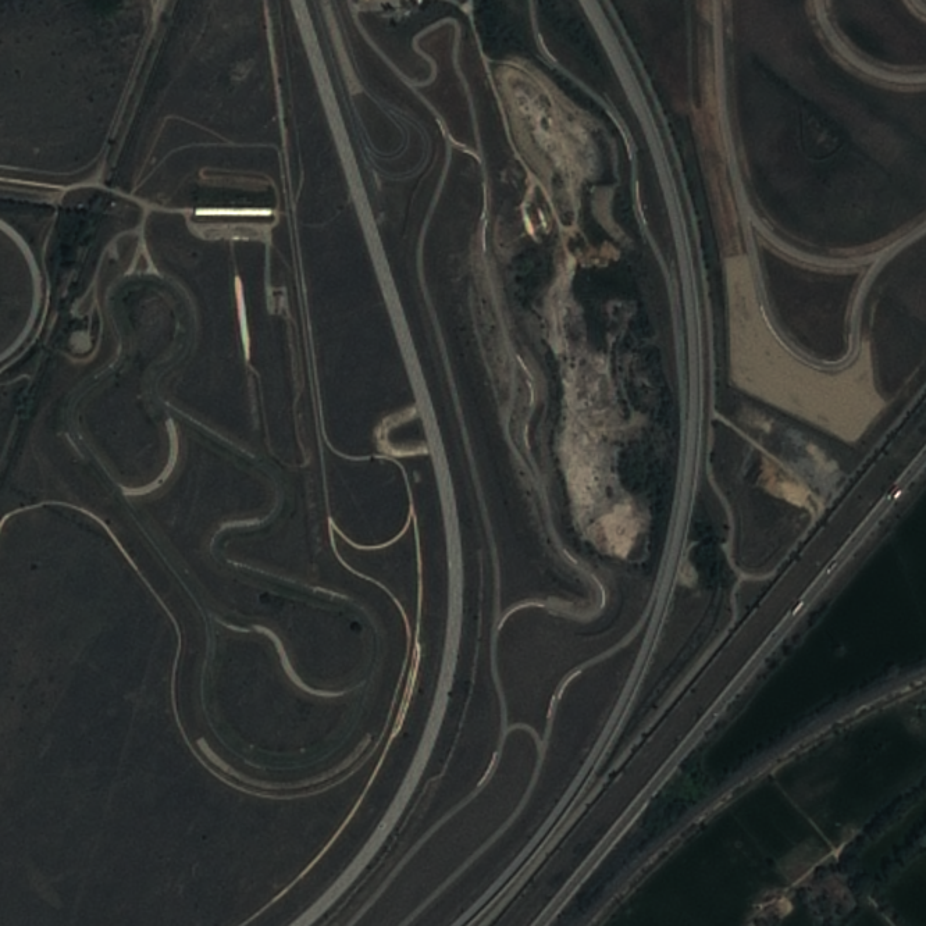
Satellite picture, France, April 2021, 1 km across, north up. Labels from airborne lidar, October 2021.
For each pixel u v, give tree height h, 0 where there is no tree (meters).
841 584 0
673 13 0
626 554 0
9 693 0
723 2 0
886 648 0
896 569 0
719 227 0
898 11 0
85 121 0
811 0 0
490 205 0
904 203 0
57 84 0
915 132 0
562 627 0
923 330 0
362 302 0
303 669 0
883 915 13
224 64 0
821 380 0
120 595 0
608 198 0
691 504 0
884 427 0
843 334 0
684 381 0
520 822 0
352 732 0
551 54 0
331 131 0
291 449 0
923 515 0
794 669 0
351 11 0
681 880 0
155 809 0
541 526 0
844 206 0
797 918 0
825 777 0
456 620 0
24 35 0
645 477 9
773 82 0
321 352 0
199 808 0
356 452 0
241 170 0
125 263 0
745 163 0
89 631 0
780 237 0
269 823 0
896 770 0
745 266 0
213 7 0
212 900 0
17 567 0
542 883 0
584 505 0
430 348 0
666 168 0
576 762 0
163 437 0
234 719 0
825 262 0
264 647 0
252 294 0
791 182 0
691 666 0
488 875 0
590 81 0
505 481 0
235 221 0
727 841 0
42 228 0
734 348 0
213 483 0
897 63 0
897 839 0
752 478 0
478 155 0
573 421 0
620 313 9
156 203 0
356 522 0
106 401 0
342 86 0
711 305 0
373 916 0
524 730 0
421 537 0
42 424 0
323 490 0
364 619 0
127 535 0
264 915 0
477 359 0
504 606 0
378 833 0
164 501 0
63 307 8
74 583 0
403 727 0
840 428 0
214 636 0
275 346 0
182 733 0
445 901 0
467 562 0
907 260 0
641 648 0
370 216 0
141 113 0
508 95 0
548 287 0
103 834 0
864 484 0
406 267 0
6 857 0
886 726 0
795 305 0
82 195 0
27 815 0
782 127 0
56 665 0
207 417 0
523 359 0
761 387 0
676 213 0
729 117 0
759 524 0
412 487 0
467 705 0
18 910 0
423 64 0
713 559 12
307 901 0
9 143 0
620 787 0
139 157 0
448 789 0
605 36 0
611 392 0
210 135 0
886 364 0
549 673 0
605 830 0
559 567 0
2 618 0
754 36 0
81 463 0
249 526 0
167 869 0
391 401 0
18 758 0
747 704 0
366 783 0
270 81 0
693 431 0
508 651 0
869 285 0
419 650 0
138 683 0
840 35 0
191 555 0
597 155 0
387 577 0
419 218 0
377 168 0
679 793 0
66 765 0
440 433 0
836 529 0
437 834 0
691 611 0
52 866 0
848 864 16
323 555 0
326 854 0
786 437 0
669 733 0
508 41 7
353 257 0
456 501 0
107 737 0
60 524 0
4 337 0
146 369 0
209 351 0
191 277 0
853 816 0
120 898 0
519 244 0
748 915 0
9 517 0
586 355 0
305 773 0
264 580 0
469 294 0
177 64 0
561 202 0
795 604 0
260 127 0
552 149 0
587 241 0
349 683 0
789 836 0
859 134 0
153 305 0
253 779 0
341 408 0
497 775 0
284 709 0
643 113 0
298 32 0
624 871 0
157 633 0
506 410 0
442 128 0
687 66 0
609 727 0
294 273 0
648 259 0
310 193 0
